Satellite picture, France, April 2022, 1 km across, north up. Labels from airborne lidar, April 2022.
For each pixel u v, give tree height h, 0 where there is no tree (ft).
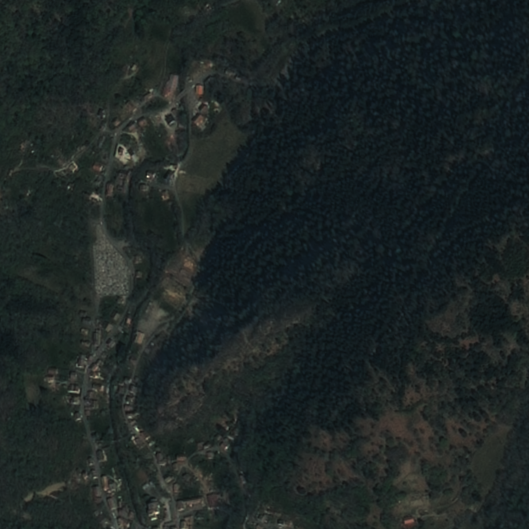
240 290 70
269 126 82
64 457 39
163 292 0
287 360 56
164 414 0
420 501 0
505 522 44
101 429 0
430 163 68
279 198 85
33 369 87
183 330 45
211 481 0
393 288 93
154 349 0
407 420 0
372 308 104
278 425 74
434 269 78
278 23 73
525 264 18
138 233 47
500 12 55
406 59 81
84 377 0
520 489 44
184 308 27
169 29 0
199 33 73
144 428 0
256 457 62
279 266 50
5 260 75
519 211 29
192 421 84
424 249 79
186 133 67
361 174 74
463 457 22
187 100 0
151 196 20
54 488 0
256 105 51
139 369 0
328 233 66
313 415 44
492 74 51
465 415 54
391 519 63
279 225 64
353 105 90
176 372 26
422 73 19
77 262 36
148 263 0
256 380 68
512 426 69
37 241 34
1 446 90
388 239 94
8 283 71
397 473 45
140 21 96
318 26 73
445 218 66
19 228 93
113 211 0
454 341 28
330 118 42
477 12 56
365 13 84
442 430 58
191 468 0
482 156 23
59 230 36
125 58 0
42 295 52
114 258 0
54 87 74
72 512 40
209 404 86
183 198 0
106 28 24
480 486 38
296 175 96
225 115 0
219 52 30
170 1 23
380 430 0
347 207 89
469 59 77
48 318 67
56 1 84
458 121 74
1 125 69
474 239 64
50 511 46
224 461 43
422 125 61
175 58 0
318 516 85
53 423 67
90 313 0
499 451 0
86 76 81
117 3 65
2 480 63
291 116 71
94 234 0
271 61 80
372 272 69
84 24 93
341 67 51
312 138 91
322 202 100
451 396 48
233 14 0
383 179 90
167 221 0
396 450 66
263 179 64
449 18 115
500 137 63
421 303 77
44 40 54
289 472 24
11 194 0
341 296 62
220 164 0
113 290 0
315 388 93
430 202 31
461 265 98
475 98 55
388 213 87
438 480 47
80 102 67
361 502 63
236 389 83
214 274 83
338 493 58
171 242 0
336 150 65
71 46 117
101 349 0
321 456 37
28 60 45
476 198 44
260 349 51
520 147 63
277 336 44
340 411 43
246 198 108
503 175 59
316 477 34
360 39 66
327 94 70
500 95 64
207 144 0
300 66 31
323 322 59
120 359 34
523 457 76
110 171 0
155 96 0
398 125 70
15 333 77
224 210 76
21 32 63
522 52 53
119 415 0
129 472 19
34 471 78
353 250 72
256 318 30
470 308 39
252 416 77
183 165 0
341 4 67
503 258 24
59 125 61
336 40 50
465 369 90
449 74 84
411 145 55
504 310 63
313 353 68
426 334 20
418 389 38
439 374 24
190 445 0
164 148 0
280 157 94
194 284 60
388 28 93
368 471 60
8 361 81
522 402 91
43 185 29
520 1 77
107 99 22
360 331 102
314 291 53
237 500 56
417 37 103
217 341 26
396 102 24
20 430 80
